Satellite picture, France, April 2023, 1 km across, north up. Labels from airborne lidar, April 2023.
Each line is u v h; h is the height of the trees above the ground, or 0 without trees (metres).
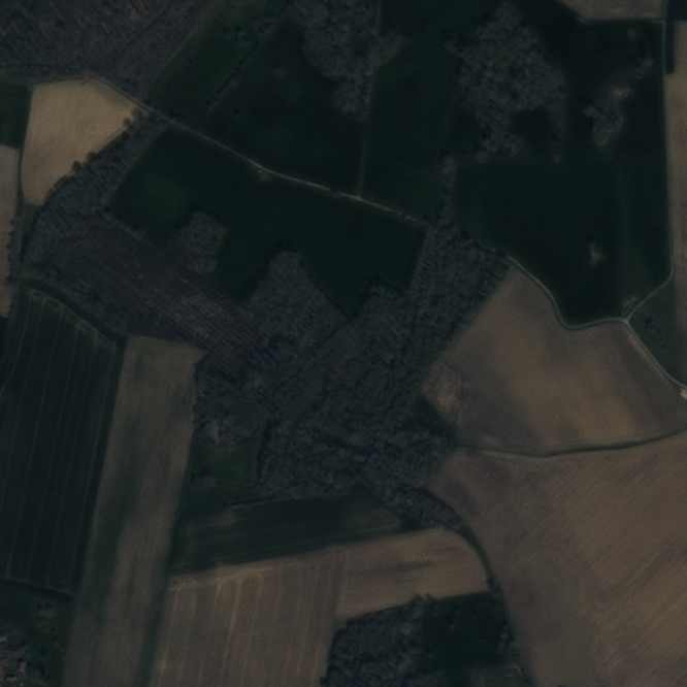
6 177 0
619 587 0
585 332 0
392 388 21
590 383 0
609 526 0
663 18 0
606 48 0
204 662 0
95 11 26
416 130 0
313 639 0
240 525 0
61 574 0
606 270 0
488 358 0
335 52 20
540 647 0
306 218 0
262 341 10
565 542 0
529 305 0
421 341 26
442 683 12
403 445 33
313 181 0
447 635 0
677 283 0
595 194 0
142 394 0
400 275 0
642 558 0
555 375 0
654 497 0
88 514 0
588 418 0
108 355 0
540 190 0
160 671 0
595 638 0
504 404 0
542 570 0
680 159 0
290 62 0
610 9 0
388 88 0
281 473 29
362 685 19
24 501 0
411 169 0
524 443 0
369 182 0
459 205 0
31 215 0
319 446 28
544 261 0
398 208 0
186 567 0
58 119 0
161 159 0
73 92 0
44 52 26
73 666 0
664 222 0
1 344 0
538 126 0
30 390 0
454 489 0
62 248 8
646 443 0
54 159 0
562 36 0
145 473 0
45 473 0
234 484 0
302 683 0
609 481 0
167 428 0
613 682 0
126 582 0
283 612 0
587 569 0
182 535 0
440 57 0
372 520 0
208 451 0
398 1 0
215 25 0
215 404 26
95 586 0
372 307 24
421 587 0
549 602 0
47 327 0
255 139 0
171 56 14
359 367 22
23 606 0
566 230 0
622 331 0
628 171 0
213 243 30
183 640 0
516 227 0
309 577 0
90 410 0
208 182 0
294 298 22
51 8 28
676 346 0
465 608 0
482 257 17
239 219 0
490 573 0
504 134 20
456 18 0
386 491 23
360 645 18
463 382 0
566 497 0
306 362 28
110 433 0
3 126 0
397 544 0
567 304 0
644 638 0
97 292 7
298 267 28
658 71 0
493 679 0
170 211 0
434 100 0
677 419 0
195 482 9
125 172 22
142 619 0
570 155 0
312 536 0
